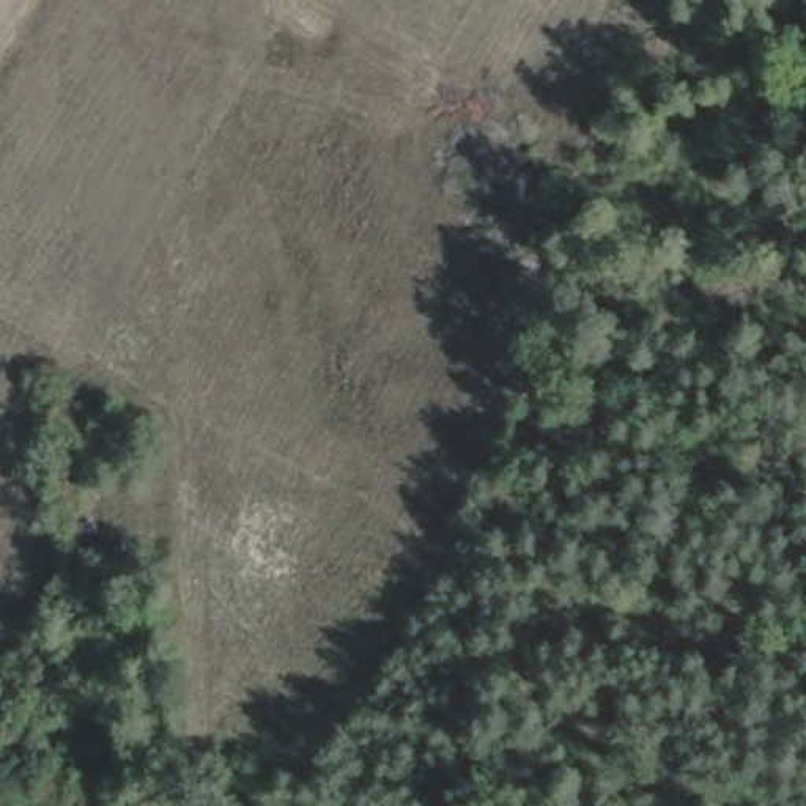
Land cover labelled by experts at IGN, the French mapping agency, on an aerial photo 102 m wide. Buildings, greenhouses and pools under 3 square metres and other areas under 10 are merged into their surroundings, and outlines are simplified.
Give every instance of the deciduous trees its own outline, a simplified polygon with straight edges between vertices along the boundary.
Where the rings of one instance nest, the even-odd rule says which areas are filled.
[[[686,428],[677,422],[680,403],[671,400],[671,394],[652,394],[645,381],[617,381],[611,387],[595,387],[589,368],[573,359],[573,349],[551,349],[554,327],[545,324],[519,334],[519,340],[510,346],[513,359],[523,365],[529,384],[535,387],[519,394],[519,400],[513,400],[513,406],[507,409],[504,431],[479,460],[479,472],[469,482],[469,497],[460,507],[460,513],[460,519],[469,526],[482,519],[488,504],[501,501],[510,510],[516,510],[529,501],[529,491],[548,485],[557,513],[582,513],[592,501],[623,491],[627,482],[620,479],[620,460],[636,460],[636,447],[655,447],[661,457],[658,475],[690,479],[674,516],[674,529],[655,554],[655,576],[674,579],[674,554],[690,542],[690,535],[724,532],[727,519],[756,494],[749,488],[749,479],[737,469],[740,453],[749,447],[746,438],[756,434],[756,422],[743,419],[743,409],[718,409],[699,416],[696,425]]]
[[[54,730],[66,727],[66,705],[57,696],[25,690],[3,708],[0,718],[0,806],[88,806],[82,797],[82,775],[63,765],[63,746],[54,746],[47,740]]]
[[[526,790],[501,790],[491,775],[472,775],[479,800],[469,806],[523,806]]]
[[[605,759],[611,759],[614,771],[627,775],[627,784],[642,784],[636,768],[633,730],[630,724],[620,724],[608,730]]]
[[[765,98],[771,104],[806,101],[806,31],[800,25],[787,28],[784,41],[765,54],[762,76]]]
[[[151,595],[148,608],[126,608],[120,614],[120,627],[157,627],[170,620],[173,611],[170,605]]]

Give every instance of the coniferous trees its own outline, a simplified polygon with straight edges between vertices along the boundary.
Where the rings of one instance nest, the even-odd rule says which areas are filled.
[[[582,211],[576,224],[560,227],[545,239],[548,258],[554,264],[548,277],[554,296],[545,324],[554,327],[551,349],[573,349],[573,359],[589,368],[595,387],[611,387],[617,381],[645,381],[652,394],[671,394],[671,400],[680,403],[677,422],[686,428],[696,425],[699,416],[718,409],[743,409],[743,419],[756,422],[756,434],[746,438],[749,447],[740,453],[737,469],[749,479],[749,488],[756,494],[727,519],[724,532],[690,535],[690,542],[674,554],[674,579],[655,576],[655,554],[674,529],[674,516],[690,479],[658,475],[661,457],[655,447],[636,447],[636,460],[620,460],[620,479],[627,482],[623,491],[592,501],[582,513],[557,513],[548,485],[529,491],[529,501],[516,510],[510,510],[501,501],[488,504],[482,519],[469,526],[460,519],[460,513],[450,516],[453,557],[447,564],[447,573],[425,595],[425,614],[409,617],[412,649],[397,649],[384,661],[378,686],[368,696],[356,693],[349,705],[327,721],[321,737],[327,749],[321,749],[318,759],[309,756],[302,765],[290,765],[290,771],[261,756],[255,762],[224,759],[224,737],[179,737],[167,727],[167,715],[173,708],[186,708],[183,667],[192,667],[189,652],[202,645],[202,617],[186,620],[173,611],[170,620],[157,627],[120,627],[120,614],[126,608],[148,608],[151,595],[170,605],[179,589],[176,576],[167,570],[173,538],[173,504],[154,501],[154,519],[148,519],[139,510],[139,497],[151,491],[157,466],[170,453],[173,438],[167,431],[154,434],[151,412],[135,403],[107,409],[104,387],[85,384],[76,372],[63,368],[50,356],[13,356],[0,368],[0,507],[13,519],[16,548],[6,557],[0,576],[0,718],[3,708],[25,690],[57,696],[66,705],[66,727],[54,730],[47,740],[54,746],[63,746],[63,765],[82,775],[82,797],[88,806],[469,806],[479,800],[472,775],[491,775],[501,790],[526,790],[523,806],[806,806],[806,101],[771,104],[765,98],[762,76],[765,54],[784,41],[787,28],[800,25],[806,31],[806,0],[627,0],[645,22],[652,22],[655,35],[664,38],[674,50],[667,57],[655,57],[658,85],[636,82],[633,88],[620,88],[614,101],[601,110],[601,120],[592,129],[586,129],[589,145],[576,148],[560,142],[557,154],[548,161],[548,167],[557,176],[576,179],[592,205]],[[605,759],[608,730],[620,724],[630,724],[633,730],[636,768],[642,784],[627,784],[627,775],[614,771],[611,759]]]

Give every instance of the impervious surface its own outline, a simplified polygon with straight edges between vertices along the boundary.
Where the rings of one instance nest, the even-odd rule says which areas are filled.
[[[16,44],[19,25],[38,6],[38,0],[0,0],[0,60]]]

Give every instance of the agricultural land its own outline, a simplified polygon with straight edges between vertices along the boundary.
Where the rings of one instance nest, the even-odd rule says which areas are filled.
[[[554,296],[548,277],[554,264],[548,258],[545,239],[560,227],[576,224],[582,211],[592,205],[576,179],[557,176],[548,167],[548,161],[557,154],[560,142],[576,148],[589,145],[586,129],[592,129],[601,120],[601,110],[614,101],[620,88],[633,88],[636,82],[658,85],[655,57],[667,57],[674,50],[664,38],[655,35],[652,22],[645,22],[627,0],[38,0],[38,6],[19,25],[16,44],[0,60],[0,368],[13,356],[50,356],[63,368],[76,372],[85,384],[104,387],[107,409],[135,403],[151,412],[154,434],[167,431],[173,438],[170,453],[157,466],[151,491],[139,497],[139,510],[148,519],[154,519],[154,501],[173,504],[173,538],[167,570],[176,576],[179,589],[170,605],[173,611],[186,620],[202,617],[202,645],[189,652],[192,667],[183,667],[186,708],[173,708],[167,715],[167,727],[179,737],[224,737],[224,759],[255,762],[261,756],[290,771],[290,765],[302,765],[309,756],[318,759],[321,749],[327,749],[321,737],[327,721],[349,705],[356,693],[368,696],[378,686],[384,661],[397,649],[412,649],[409,617],[425,614],[425,595],[447,573],[447,564],[453,557],[450,516],[460,513],[460,507],[469,497],[469,482],[479,472],[479,460],[504,431],[507,409],[513,406],[513,400],[519,400],[519,394],[535,387],[529,384],[523,365],[513,359],[510,346],[519,340],[519,334],[545,324]]]
[[[0,576],[6,557],[16,548],[13,519],[0,507]]]

